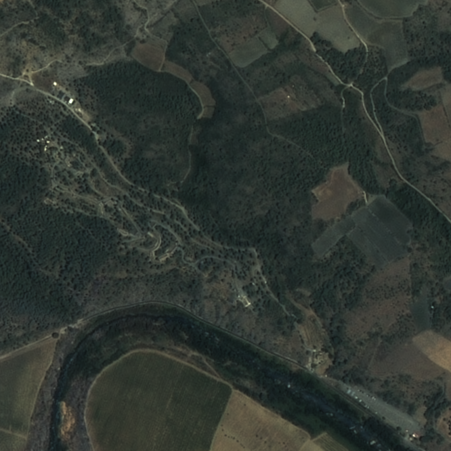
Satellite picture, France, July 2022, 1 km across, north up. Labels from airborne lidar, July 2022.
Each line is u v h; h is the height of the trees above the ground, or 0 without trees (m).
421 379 0
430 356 0
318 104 0
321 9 0
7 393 0
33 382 0
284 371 8
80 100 9
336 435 5
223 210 0
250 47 0
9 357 0
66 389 8
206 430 0
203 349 13
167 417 0
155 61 0
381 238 0
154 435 0
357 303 6
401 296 0
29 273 9
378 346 0
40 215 10
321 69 0
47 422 7
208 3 0
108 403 0
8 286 16
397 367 0
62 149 7
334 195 0
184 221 13
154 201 11
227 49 0
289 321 10
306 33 0
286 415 6
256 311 10
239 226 13
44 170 11
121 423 0
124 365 0
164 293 7
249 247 9
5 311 11
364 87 6
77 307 9
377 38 0
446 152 0
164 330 18
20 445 0
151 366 0
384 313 0
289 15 0
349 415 11
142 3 0
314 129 10
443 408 10
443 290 8
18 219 12
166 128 6
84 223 14
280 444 0
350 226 0
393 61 0
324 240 0
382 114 6
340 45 0
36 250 13
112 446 0
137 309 8
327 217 0
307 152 8
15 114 11
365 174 15
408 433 0
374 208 0
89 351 9
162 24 0
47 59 0
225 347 6
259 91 0
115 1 0
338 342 8
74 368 7
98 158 8
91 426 0
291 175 11
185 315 8
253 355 8
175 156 9
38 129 9
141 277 6
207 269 9
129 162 14
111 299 10
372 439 0
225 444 0
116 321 9
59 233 13
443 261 9
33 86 0
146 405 0
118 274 0
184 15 0
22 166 10
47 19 9
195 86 0
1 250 7
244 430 0
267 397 14
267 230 10
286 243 6
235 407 0
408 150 8
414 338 0
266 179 9
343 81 5
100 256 12
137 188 14
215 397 0
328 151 6
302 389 7
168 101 12
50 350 0
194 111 11
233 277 11
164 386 0
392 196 13
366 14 0
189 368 0
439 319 9
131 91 5
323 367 0
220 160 7
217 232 12
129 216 0
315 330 0
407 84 0
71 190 11
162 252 12
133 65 11
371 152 16
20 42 0
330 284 12
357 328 0
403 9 0
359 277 9
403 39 0
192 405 0
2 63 0
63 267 19
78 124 13
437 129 0
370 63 6
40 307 10
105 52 0
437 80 0
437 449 0
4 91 0
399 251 0
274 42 0
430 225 8
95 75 9
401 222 0
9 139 9
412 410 6
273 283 9
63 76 0
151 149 0
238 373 8
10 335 11
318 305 6
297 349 0
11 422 0
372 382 8
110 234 11
